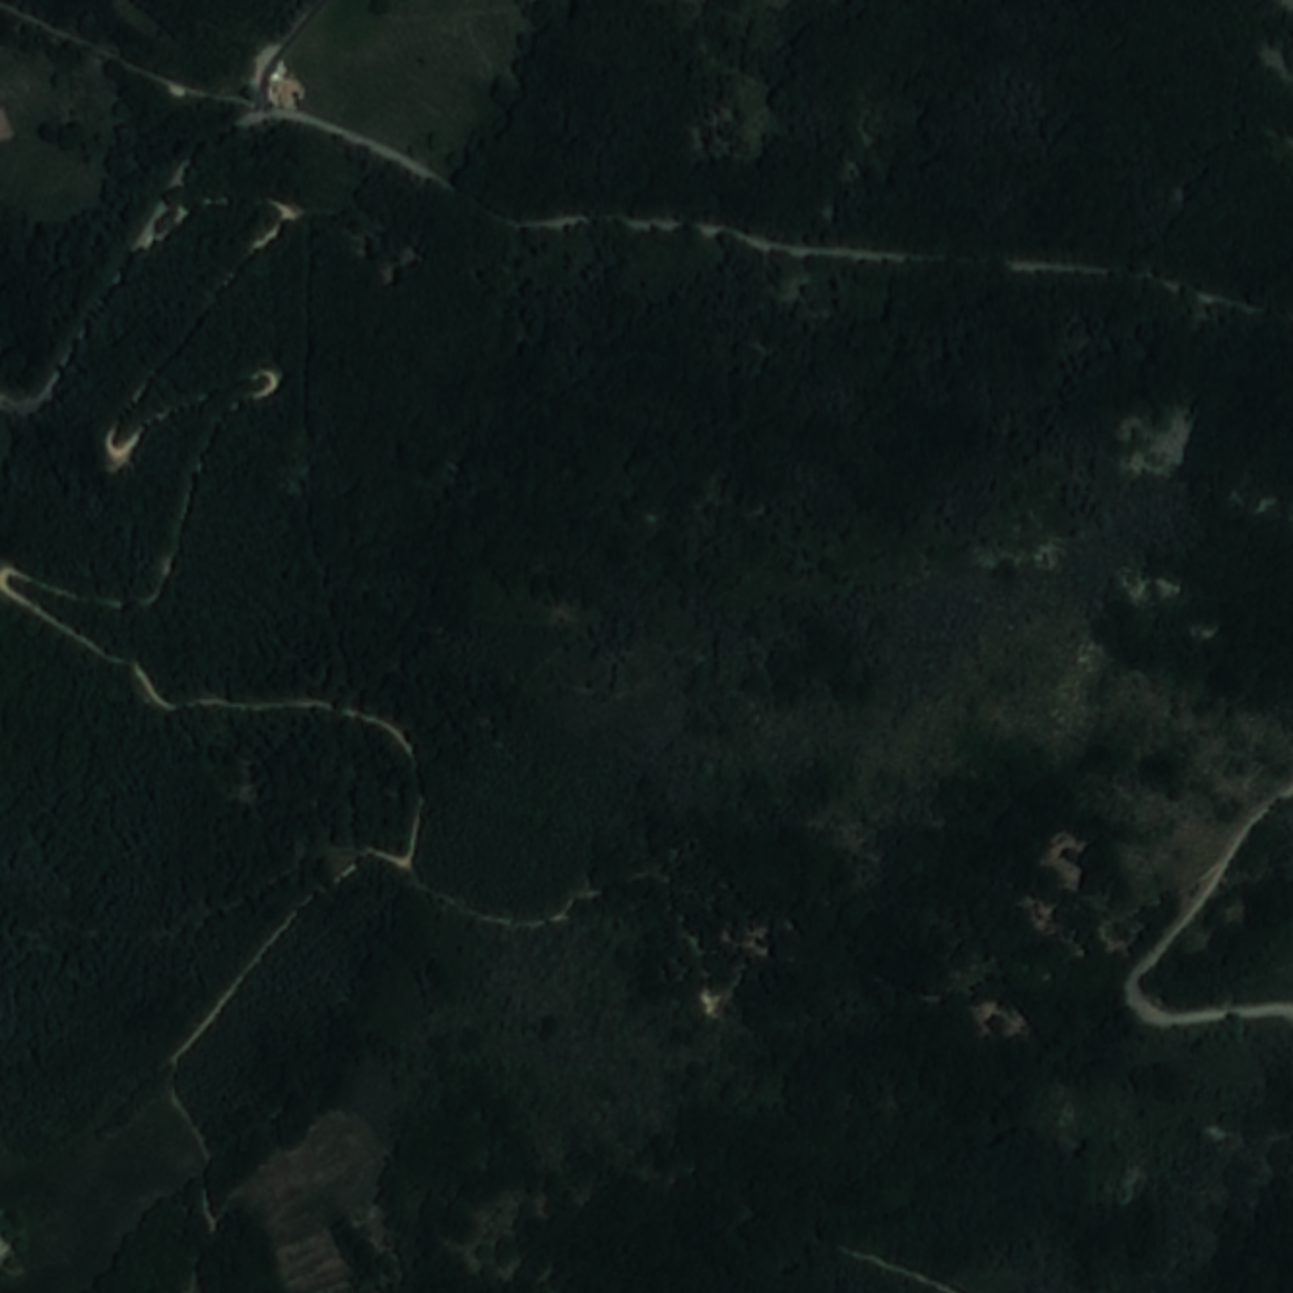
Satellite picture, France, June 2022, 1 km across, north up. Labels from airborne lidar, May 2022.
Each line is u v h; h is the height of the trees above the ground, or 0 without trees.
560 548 11
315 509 10
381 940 15
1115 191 15
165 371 14
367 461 17
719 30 7
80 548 18
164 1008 15
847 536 10
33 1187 0
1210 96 21
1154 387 16
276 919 14
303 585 15
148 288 16
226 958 8
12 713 11
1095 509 13
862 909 17
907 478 17
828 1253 7
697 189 24
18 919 12
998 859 18
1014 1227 16
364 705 14
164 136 7
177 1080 8
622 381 19
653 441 16
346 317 19
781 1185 18
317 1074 12
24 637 12
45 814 9
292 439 14
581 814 8
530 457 17
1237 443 19
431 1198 7
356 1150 0
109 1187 0
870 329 17
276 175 19
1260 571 12
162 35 7
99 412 14
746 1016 11
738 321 14
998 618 0
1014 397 19
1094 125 17
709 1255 21
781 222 18
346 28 0
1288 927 14
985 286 14
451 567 17
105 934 10
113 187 9
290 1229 0
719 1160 14
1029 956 16
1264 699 12
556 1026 12
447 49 0
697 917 18
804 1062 14
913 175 18
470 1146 10
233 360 13
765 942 22
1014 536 0
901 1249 18
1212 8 21
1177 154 16
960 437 19
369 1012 14
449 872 10
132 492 12
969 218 20
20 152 0
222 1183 12
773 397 18
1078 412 17
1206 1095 7
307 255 17
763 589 0
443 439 17
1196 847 0
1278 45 14
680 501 13
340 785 12
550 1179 7
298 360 17
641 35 20
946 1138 27
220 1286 10
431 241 23
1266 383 21
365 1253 13
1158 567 9
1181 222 15
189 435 15
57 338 16
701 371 21
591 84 18
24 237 7
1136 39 21
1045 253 19
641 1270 16
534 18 13
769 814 9
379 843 12
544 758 8
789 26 7
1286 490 14
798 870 21
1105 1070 20
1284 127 18
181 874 14
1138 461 0
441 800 9
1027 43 17
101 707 9
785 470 15
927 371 13
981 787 12
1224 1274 18
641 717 0
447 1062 6
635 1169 9
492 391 16
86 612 13
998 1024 22
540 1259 16
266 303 12
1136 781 10
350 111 0
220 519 13
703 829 14
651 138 23
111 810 11
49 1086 7
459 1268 14
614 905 15
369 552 16
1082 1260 10
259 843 15
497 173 25
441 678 14
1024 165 19
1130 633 14
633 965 8
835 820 6
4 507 12
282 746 16
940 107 16
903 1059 10
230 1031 8
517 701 13
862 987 13
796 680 11
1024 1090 21
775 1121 10
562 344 15
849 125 13
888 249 18
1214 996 10
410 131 0
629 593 13
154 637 14
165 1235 15
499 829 10
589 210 19
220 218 10
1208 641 12
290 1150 9
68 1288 0
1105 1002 15
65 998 9
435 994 12
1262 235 25
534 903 9
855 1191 23
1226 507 7
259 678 8
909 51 20
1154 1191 6
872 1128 17
